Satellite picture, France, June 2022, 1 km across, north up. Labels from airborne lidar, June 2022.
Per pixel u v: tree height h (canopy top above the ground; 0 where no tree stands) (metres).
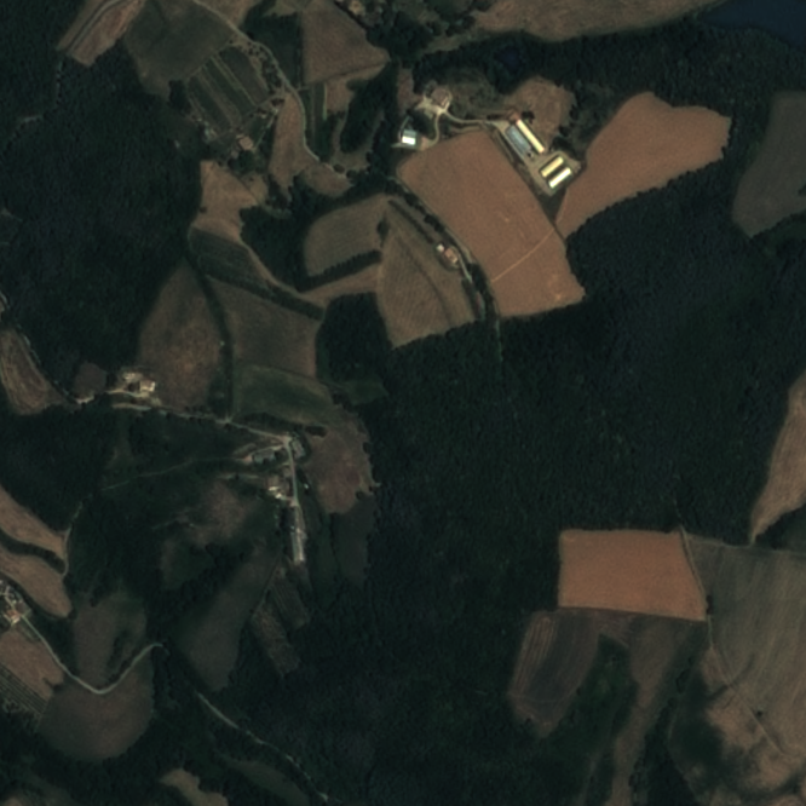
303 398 0
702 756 0
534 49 17
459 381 24
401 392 14
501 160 0
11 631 0
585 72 25
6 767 7
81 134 17
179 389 0
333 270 9
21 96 13
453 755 11
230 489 0
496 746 12
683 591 0
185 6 0
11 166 13
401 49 16
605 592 0
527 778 14
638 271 24
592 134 0
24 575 0
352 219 0
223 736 12
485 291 12
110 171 16
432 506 15
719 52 16
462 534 18
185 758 23
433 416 23
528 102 0
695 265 19
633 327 18
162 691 14
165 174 7
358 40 0
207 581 16
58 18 16
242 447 0
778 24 0
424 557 11
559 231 0
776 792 0
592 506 20
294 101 0
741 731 0
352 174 10
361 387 0
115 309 15
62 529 11
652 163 0
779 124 0
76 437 14
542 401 9
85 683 0
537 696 0
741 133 16
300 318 0
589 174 0
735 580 0
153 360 0
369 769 15
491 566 19
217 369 0
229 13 0
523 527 20
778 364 13
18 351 0
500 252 0
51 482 14
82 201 16
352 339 7
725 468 21
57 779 6
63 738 0
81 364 10
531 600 13
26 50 16
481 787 11
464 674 12
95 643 0
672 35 11
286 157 0
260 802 7
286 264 10
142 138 20
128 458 0
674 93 19
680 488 8
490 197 0
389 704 15
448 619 12
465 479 21
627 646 0
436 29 17
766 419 20
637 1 0
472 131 0
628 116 0
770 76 18
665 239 19
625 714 6
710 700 0
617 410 18
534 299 0
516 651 12
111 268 16
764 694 0
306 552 8
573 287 0
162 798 6
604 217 13
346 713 17
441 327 0
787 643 0
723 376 18
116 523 12
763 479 13
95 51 0
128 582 7
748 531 9
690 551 0
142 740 9
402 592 8
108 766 10
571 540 0
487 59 20
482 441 23
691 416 16
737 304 11
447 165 0
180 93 11
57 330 14
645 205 16
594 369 25
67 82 13
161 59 0
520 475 24
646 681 0
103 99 13
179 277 0
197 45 0
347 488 0
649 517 15
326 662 18
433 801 21
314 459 0
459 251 0
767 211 0
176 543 0
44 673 0
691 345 14
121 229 18
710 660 0
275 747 7
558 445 18
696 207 17
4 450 10
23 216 12
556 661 0
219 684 0
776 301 16
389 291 0
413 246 0
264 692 6
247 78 0
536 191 0
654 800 7
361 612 13
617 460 20
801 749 0
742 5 0
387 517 8
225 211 0
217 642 0
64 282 12
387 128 18
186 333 0
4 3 17
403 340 0
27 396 0
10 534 0
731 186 15
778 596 0
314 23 0
